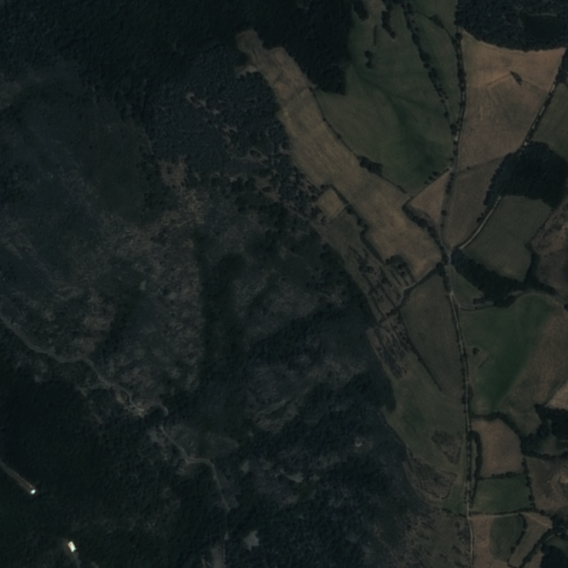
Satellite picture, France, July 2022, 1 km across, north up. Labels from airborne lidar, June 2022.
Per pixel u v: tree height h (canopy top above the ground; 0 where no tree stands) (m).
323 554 7
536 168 13
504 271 0
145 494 23
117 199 0
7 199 10
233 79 17
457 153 8
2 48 15
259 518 18
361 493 8
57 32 13
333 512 7
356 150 0
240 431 5
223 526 22
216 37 11
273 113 8
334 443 12
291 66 0
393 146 0
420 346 0
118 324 7
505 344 0
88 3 23
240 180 9
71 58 6
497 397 0
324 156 0
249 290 0
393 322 0
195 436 0
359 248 0
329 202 0
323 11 17
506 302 12
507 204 0
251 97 19
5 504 14
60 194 0
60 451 21
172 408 17
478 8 18
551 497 0
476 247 0
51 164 0
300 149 0
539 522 0
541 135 0
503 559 0
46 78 0
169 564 14
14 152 0
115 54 19
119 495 17
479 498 0
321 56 16
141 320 0
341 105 0
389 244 0
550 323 0
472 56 0
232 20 20
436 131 0
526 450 11
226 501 0
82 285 0
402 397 0
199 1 18
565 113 0
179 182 0
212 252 0
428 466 0
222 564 0
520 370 0
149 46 22
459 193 0
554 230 0
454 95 0
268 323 0
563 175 21
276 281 0
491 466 0
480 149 0
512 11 20
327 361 0
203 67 12
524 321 0
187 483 19
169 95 17
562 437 19
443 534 0
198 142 16
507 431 0
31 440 23
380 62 0
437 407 0
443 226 7
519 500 0
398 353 0
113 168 0
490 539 0
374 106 0
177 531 14
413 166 0
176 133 18
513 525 0
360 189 0
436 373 0
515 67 0
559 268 0
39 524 11
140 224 0
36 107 0
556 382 0
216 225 0
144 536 12
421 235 0
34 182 0
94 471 18
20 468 26
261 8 18
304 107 0
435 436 0
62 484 24
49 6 23
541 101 0
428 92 0
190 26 14
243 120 13
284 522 10
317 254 0
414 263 0
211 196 10
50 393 20
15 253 0
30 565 10
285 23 16
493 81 0
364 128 0
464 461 0
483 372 0
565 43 17
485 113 0
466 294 0
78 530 7
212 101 22
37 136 0
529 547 0
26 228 0
